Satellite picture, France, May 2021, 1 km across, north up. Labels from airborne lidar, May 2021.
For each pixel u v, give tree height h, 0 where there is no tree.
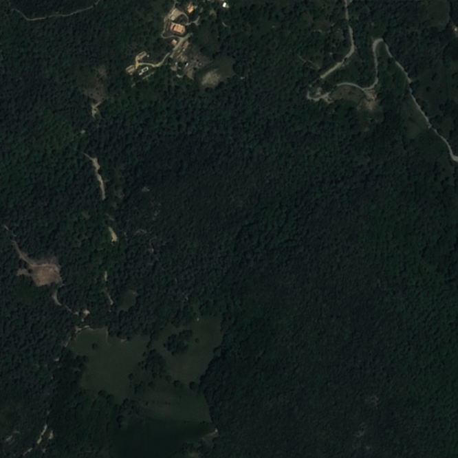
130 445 0
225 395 14
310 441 11
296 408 13
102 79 9
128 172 16
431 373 21
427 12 17
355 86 8
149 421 0
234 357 20
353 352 10
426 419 13
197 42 14
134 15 17
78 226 23
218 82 0
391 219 13
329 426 10
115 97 15
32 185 12
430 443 15
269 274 18
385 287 16
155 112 8
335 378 11
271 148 15
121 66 14
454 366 24
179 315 27
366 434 6
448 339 21
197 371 0
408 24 18
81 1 6
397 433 13
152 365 9
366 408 10
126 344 0
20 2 14
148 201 8
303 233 17
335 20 11
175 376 0
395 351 18
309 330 15
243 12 12
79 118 23
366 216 11
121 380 0
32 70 8
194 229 20
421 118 0
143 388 14
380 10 23
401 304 19
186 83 13
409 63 10
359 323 20
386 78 9
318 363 13
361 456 7
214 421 15
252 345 18
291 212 23
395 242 24
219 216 15
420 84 14
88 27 14
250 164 26
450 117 11
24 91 7
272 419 6
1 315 24
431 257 23
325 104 14
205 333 0
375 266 17
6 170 16
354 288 13
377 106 0
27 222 8
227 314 19
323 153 13
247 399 13
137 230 5
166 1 10
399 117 19
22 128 21
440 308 22
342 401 11
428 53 6
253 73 7
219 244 8
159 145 16
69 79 19
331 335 12
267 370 17
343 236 17
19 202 21
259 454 9
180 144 9
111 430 13
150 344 10
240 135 11
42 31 12
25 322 9
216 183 17
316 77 12
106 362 0
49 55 19
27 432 6
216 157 10
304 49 7
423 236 15
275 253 29
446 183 13
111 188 19
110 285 14
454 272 28
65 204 15
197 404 0
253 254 19
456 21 17
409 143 19
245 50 10
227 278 17
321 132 17
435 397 15
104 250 13
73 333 11
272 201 17
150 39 13
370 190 22
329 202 14
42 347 23
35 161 15
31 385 22
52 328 21
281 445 7
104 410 6
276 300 12
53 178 13
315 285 13
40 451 9
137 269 12
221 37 12
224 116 19
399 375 17
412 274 15
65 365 23
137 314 23
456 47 16
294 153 13
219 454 11
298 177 18
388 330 16
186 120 6
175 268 19
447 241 19
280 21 7
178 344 16
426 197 24
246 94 15
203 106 21
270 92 17
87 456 7
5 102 21
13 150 19
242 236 27
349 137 18
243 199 9
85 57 16
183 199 12
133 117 22
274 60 10
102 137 28
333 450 12
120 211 17
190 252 15
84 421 9
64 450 8
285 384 11
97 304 17
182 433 0
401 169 19
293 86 11
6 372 18
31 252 22
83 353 0
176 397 0
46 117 13
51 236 14
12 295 23
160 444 0
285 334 12
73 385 24
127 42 10
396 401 13
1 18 16
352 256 21
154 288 20
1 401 7
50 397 8
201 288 12
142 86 18
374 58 15
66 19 20
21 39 22
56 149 19
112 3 15
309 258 21
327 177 24
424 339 17
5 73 12
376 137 16
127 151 20
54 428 17
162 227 10
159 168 12
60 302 7
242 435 13
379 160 22
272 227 21
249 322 9
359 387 13
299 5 14
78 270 22
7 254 22
